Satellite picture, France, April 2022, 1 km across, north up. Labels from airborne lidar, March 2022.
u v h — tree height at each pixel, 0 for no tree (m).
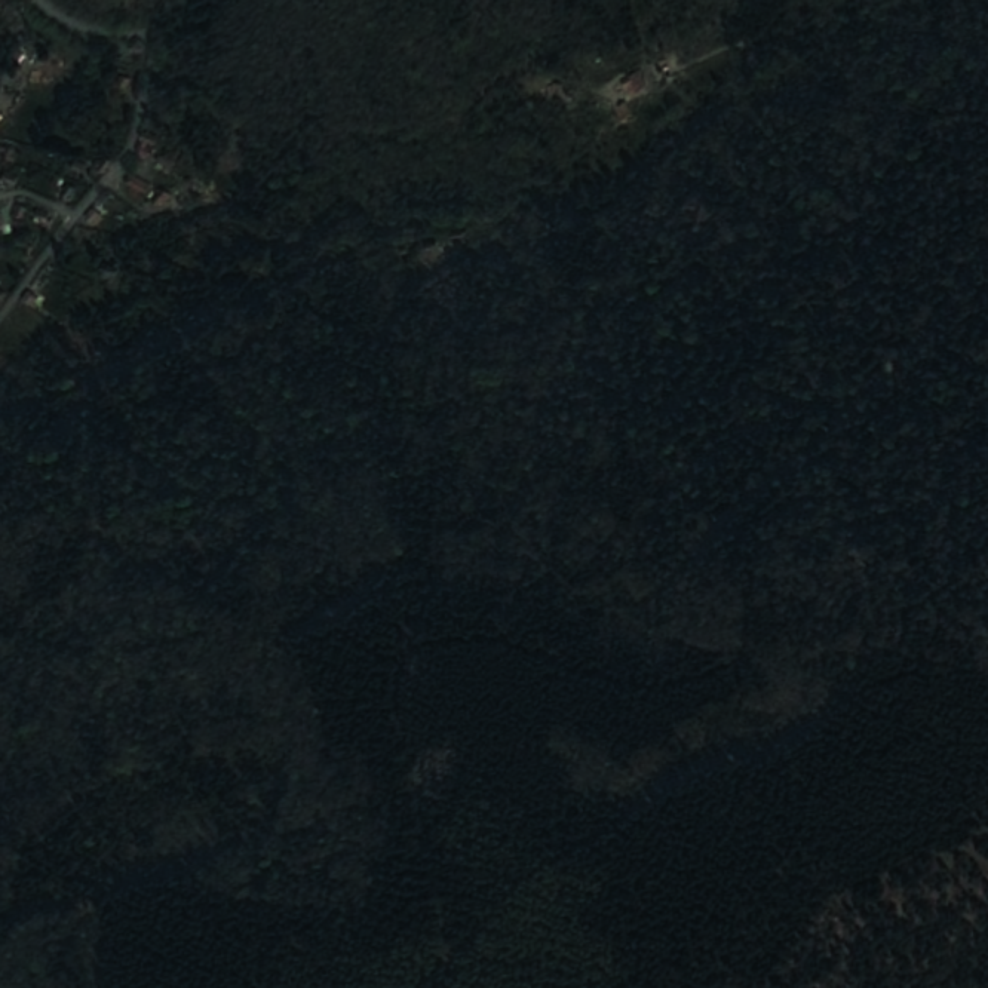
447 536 28
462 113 28
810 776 17
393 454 27
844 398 32
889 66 24
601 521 30
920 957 16
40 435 37
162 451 14
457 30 26
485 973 17
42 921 24
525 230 17
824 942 20
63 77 0
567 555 24
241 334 34
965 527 27
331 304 18
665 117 21
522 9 30
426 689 19
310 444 32
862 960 16
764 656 19
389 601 22
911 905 23
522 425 23
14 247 19
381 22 20
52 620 35
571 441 31
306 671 22
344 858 27
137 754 25
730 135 12
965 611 20
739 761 21
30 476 29
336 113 26
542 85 0
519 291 26
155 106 12
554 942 14
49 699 30
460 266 18
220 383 31
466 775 17
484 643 19
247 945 21
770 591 24
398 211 28
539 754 15
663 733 17
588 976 12
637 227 31
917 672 20
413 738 16
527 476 13
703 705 15
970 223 20
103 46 27
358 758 19
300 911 22
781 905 21
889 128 28
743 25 28
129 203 0
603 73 0
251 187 26
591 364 32
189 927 28
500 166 24
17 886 12
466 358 23
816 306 14
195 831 20
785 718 6
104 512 14
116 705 27
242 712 26
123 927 25
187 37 30
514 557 28
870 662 24
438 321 20
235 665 16
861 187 32
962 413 29
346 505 32
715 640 29
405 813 19
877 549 28
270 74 24
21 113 0
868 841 20
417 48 20
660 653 24
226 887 22
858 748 20
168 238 8
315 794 30
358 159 22
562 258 31
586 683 19
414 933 14
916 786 10
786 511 25
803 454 25
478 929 8
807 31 22
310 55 26
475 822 17
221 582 24
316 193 21
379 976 14
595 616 21
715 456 9
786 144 22
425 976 9
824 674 15
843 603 21
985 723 19
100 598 24
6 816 25
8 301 0
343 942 14
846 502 28
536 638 27
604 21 25
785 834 21
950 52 29
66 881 10
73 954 19
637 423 32
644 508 23
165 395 27
